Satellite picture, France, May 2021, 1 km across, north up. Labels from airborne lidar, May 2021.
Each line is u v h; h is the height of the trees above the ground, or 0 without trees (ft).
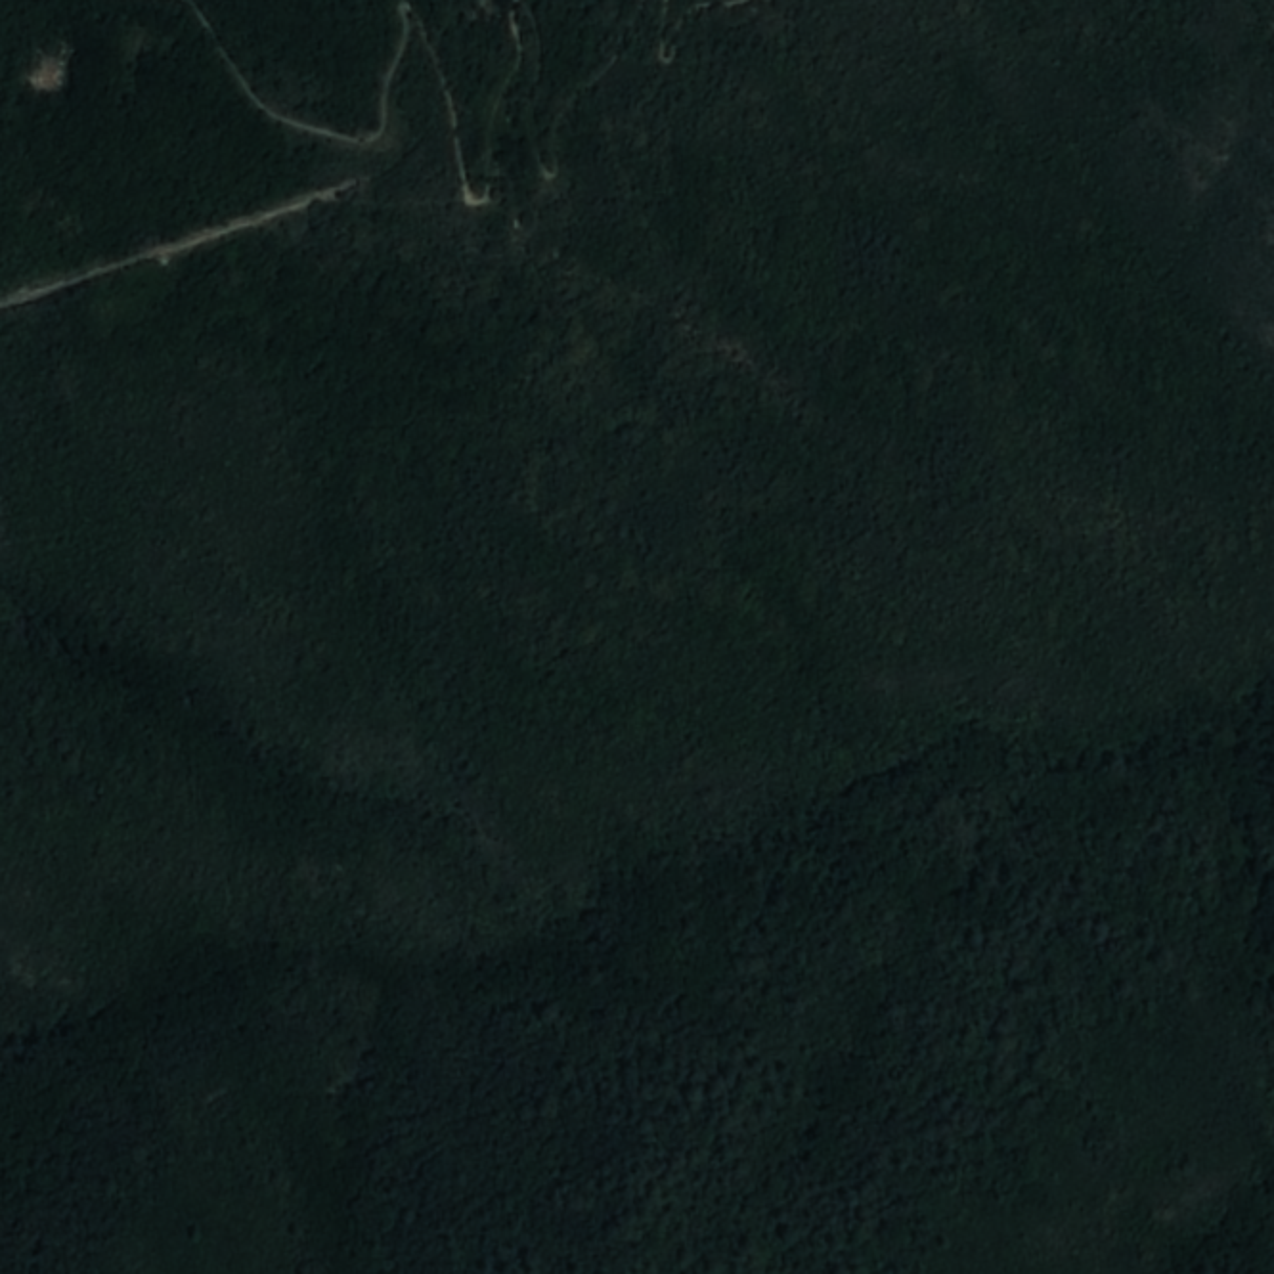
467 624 43
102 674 78
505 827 23
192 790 41
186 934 40
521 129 41
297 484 36
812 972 39
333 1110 57
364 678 32
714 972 69
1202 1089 22
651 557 52
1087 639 50
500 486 33
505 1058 60
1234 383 48
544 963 70
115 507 31
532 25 27
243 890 26
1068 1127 32
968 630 22
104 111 35
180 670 45
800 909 67
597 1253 52
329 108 31
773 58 22
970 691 24
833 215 34
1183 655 20
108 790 43
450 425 34
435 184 25
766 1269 52
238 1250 35
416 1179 46
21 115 37
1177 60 32
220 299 53
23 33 48
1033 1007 49
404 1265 57
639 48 35
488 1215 59
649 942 58
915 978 55
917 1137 58
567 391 44
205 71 41
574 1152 46
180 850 22
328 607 34
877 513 38
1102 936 95
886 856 68
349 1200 68
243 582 29
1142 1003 30
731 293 36
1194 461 39
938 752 64
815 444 38
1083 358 35
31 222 28
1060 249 53
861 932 42
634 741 51
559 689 50
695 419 30
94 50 52
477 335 37
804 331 24
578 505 43
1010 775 62
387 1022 78
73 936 22
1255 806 58
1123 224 38
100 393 18
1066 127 17
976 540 46
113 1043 101
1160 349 46
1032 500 34
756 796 29
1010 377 39
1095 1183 20
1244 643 33
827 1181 52
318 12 41
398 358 33
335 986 75
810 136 31
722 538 44
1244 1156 24
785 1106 35
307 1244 39
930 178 24
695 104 21
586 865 21
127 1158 51
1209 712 48
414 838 52
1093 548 18
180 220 41
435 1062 52
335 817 49
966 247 30
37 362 21
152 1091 69
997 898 78
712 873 77
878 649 25
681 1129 55
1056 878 68
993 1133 46
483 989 65
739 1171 76
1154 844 41
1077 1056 35
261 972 90
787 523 46
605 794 36
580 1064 62
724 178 28
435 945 35
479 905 45
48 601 52
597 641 20
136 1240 22
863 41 22
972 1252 19
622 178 43
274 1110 50
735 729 43
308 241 40
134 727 61
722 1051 71
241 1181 36
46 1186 68
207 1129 31
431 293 35
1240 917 52
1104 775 77
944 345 36
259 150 32
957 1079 45
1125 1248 28
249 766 71
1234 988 67
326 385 35
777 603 60
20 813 25
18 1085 84
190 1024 67
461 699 33
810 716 65
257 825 53
